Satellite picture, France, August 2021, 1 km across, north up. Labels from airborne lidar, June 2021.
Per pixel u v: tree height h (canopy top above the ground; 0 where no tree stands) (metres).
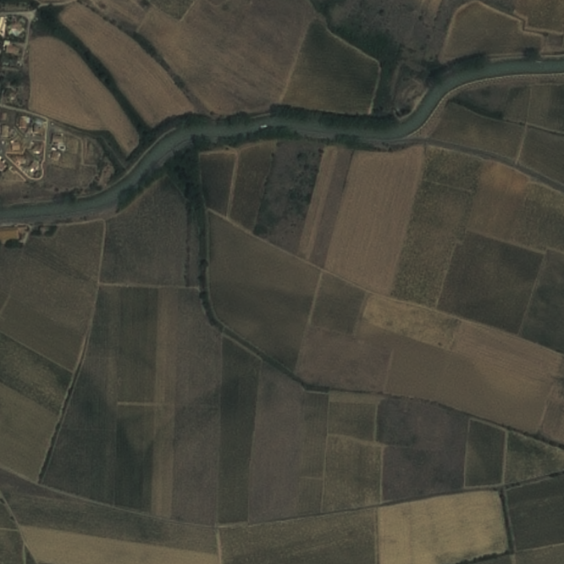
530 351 0
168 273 0
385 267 0
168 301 0
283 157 0
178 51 0
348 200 0
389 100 0
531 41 0
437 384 0
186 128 19
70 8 0
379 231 0
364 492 0
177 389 0
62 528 0
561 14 0
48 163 0
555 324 0
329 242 0
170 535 0
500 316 0
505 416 0
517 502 0
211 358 0
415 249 0
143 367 0
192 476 0
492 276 0
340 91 0
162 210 0
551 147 0
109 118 0
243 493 0
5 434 0
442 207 0
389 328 0
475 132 0
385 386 0
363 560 0
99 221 0
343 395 0
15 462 0
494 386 0
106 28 0
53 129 0
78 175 0
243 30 0
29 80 0
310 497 0
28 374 0
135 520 0
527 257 0
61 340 0
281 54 0
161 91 0
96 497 0
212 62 0
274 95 0
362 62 0
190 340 0
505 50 0
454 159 0
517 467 0
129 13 0
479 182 0
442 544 0
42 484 0
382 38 6
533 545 0
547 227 0
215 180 0
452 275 0
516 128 0
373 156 0
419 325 0
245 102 0
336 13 0
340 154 0
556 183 0
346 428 0
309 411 0
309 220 0
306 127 0
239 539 0
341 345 0
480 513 0
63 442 0
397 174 0
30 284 0
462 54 0
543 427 0
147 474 0
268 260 0
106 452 0
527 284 0
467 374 0
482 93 0
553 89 0
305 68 0
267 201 0
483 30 0
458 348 0
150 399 0
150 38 0
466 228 0
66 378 0
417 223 0
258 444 0
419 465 0
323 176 0
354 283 0
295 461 0
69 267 0
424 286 0
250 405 0
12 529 0
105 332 0
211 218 0
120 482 0
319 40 0
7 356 0
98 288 0
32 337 0
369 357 0
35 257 0
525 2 0
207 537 0
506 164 0
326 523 0
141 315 0
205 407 0
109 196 0
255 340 0
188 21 0
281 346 0
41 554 0
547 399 0
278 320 0
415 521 0
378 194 0
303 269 0
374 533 0
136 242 0
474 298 0
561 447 8
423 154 0
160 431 0
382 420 0
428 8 0
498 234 0
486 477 0
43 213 0
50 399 0
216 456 0
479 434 0
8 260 0
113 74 0
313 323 0
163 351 0
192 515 0
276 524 0
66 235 0
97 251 0
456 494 0
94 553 0
